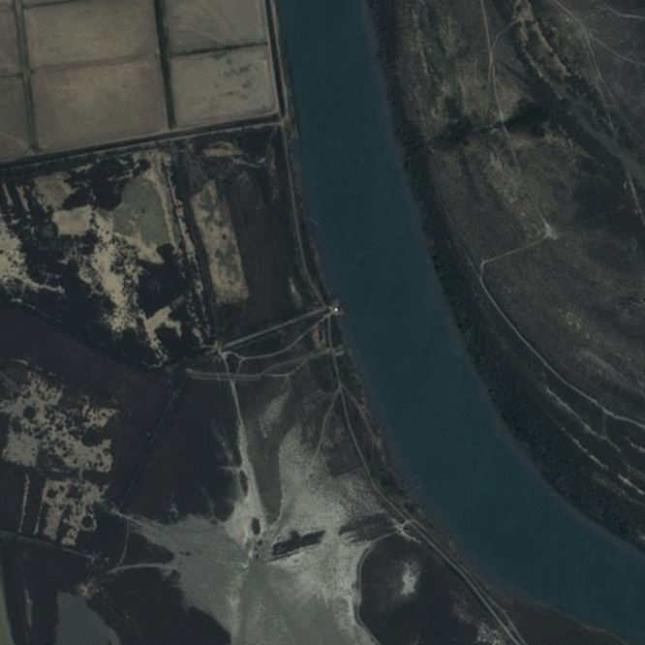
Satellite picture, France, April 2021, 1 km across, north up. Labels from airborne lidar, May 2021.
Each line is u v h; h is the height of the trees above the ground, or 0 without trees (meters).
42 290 0
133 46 0
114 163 0
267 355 0
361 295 0
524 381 0
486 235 0
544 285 0
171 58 0
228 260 0
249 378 0
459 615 0
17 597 0
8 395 0
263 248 0
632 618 0
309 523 0
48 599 0
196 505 0
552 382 0
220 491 0
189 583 0
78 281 0
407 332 0
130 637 0
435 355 0
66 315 0
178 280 0
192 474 0
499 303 0
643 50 0
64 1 0
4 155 0
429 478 0
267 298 0
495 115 0
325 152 0
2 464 0
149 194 0
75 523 0
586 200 0
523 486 0
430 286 0
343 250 0
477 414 0
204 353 0
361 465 0
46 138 0
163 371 0
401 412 0
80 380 0
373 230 0
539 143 0
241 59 0
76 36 0
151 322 0
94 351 0
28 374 0
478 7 0
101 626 0
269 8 0
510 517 0
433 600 0
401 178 0
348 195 0
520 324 0
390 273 0
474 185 0
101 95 0
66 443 0
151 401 0
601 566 0
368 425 0
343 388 0
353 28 0
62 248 0
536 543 0
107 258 0
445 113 0
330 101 0
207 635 0
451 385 0
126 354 0
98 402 0
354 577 0
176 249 0
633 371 0
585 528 0
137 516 0
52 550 0
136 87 0
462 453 0
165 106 0
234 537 0
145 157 0
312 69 0
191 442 0
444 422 0
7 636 0
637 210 0
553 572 0
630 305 0
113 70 0
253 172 0
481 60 0
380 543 0
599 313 0
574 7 0
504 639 0
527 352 0
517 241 0
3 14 0
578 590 0
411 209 0
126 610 0
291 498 0
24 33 0
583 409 0
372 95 0
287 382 0
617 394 0
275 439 0
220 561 0
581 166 0
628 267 0
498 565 0
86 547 0
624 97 0
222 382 0
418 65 0
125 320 0
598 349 0
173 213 0
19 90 0
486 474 0
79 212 0
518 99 0
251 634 0
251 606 0
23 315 0
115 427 0
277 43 0
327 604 0
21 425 0
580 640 0
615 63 0
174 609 0
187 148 0
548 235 0
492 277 0
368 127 0
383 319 0
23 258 0
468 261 0
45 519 0
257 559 0
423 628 0
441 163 0
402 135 5
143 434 0
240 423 0
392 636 0
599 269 0
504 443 0
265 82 0
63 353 0
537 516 0
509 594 0
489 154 0
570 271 0
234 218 0
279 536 0
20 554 0
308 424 0
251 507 0
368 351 0
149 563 0
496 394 6
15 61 0
